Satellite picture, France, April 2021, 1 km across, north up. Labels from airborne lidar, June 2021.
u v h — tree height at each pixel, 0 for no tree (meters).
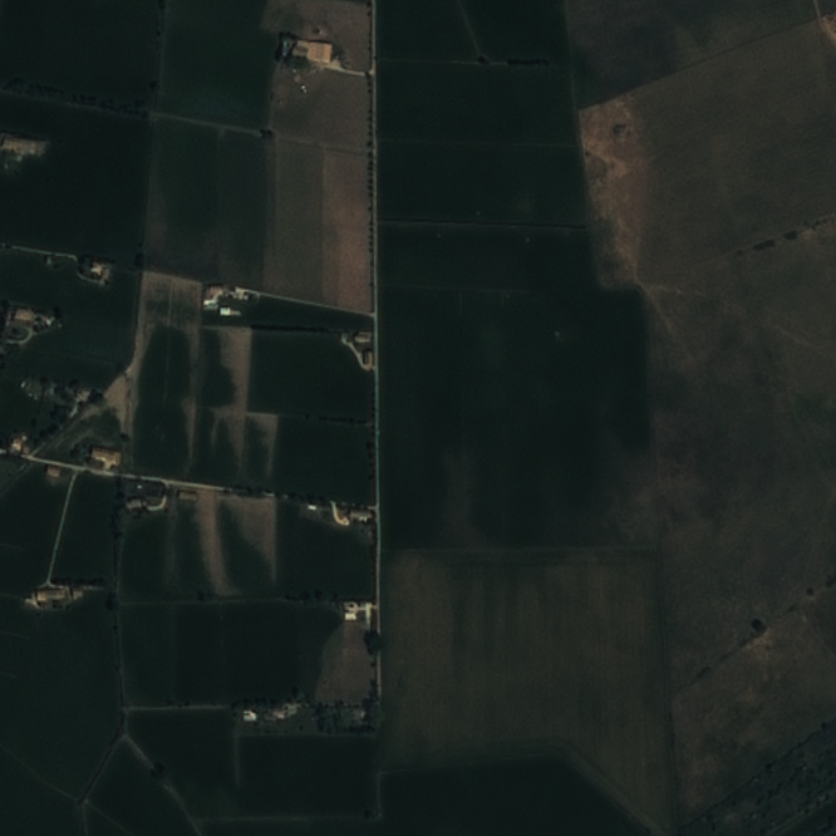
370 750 0
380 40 0
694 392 0
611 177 0
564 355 0
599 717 0
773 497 0
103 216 0
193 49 0
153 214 0
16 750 0
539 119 0
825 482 0
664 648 0
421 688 0
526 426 0
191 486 0
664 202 0
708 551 0
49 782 0
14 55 0
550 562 0
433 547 0
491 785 0
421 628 0
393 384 0
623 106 0
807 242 0
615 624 0
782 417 0
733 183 0
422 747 0
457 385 0
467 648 0
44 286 0
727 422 0
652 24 0
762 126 0
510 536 0
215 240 0
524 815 0
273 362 0
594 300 0
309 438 0
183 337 0
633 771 0
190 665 0
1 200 0
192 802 0
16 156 9
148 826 0
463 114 0
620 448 0
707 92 0
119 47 0
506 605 0
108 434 0
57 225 0
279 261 0
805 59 0
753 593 0
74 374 0
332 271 0
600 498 0
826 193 0
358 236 0
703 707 0
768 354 0
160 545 0
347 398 0
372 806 0
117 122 0
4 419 0
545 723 0
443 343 0
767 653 0
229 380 0
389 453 0
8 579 0
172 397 0
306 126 0
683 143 0
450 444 0
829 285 0
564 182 0
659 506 0
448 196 0
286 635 0
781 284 0
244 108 0
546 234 0
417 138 0
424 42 0
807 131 0
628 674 0
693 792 0
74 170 0
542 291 0
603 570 0
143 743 0
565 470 0
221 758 0
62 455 0
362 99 0
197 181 0
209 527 0
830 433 0
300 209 0
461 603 0
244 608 0
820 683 0
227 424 0
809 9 0
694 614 0
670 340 0
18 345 7
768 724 0
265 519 0
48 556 0
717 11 0
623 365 0
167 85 0
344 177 0
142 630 0
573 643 0
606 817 0
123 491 18
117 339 0
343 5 0
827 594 0
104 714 0
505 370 0
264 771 0
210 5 0
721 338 0
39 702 0
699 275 0
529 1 0
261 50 0
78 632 0
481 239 0
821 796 6
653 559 0
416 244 0
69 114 0
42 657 0
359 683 0
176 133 0
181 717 0
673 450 0
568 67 0
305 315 0
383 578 0
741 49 0
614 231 0
